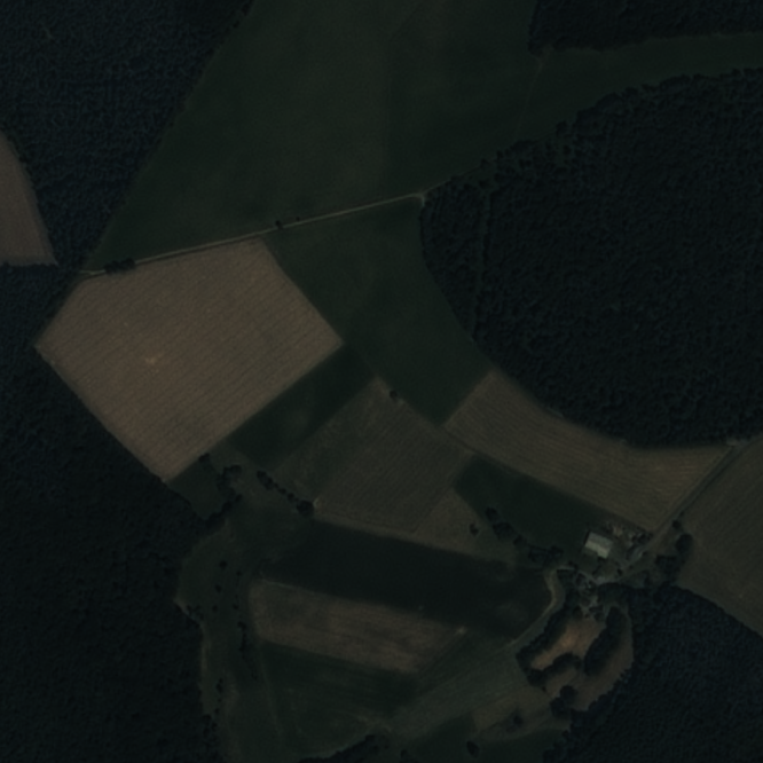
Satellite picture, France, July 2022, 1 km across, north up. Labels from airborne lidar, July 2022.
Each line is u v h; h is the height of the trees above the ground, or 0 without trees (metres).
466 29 0
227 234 0
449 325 0
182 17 23
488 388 0
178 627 27
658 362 18
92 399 0
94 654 25
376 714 0
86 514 22
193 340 0
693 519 0
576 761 24
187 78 10
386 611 0
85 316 0
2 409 16
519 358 15
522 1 0
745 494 0
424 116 0
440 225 13
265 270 0
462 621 0
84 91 21
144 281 0
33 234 0
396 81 0
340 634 0
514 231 14
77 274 13
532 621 0
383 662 0
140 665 25
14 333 27
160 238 0
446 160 0
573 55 0
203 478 0
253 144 0
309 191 0
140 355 0
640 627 14
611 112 7
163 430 0
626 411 16
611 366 16
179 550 22
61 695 20
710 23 20
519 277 17
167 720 26
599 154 15
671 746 21
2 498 20
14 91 25
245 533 0
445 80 0
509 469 0
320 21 0
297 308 0
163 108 23
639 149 18
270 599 0
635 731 20
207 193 0
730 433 15
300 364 0
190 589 0
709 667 27
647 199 16
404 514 0
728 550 0
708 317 19
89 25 23
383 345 0
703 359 21
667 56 0
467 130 0
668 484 0
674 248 16
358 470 0
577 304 15
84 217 30
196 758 21
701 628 26
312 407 0
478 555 0
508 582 0
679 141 12
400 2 0
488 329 16
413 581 0
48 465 23
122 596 23
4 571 22
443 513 0
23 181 0
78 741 21
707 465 0
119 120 19
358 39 0
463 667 0
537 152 12
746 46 0
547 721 0
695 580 0
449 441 0
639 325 16
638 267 14
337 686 0
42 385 16
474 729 0
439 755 0
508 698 0
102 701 24
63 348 0
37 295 25
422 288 0
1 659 18
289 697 0
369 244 0
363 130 0
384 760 0
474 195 9
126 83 23
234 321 0
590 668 22
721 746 13
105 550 25
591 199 15
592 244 17
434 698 0
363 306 0
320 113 0
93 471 22
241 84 0
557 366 14
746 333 15
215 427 0
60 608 22
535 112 0
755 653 28
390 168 0
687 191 16
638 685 22
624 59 0
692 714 22
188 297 0
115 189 23
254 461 0
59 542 22
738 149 13
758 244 15
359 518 0
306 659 0
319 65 0
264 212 0
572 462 0
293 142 0
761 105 16
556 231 14
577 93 0
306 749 0
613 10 22
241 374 0
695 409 9
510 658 0
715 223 16
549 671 10
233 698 0
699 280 17
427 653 0
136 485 25
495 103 0
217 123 0
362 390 0
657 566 10
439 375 0
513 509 0
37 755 23
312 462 0
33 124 28
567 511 0
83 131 25
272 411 0
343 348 0
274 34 0
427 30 0
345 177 0
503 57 0
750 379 14
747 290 18
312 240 0
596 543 0
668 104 14
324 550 0
